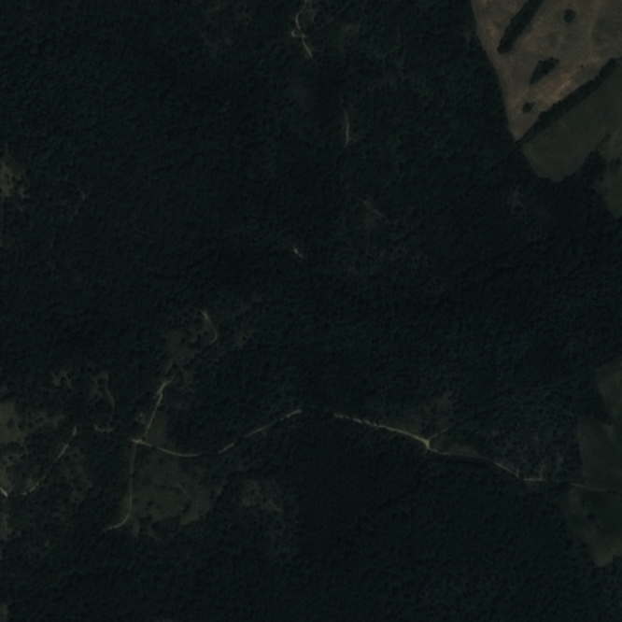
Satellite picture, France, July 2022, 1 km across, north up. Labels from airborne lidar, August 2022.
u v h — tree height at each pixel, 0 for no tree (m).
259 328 10
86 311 26
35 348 21
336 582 17
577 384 10
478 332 12
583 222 16
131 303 24
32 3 10
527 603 17
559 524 13
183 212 18
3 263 14
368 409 8
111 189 14
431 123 12
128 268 20
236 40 11
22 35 20
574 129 0
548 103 0
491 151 8
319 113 10
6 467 0
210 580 17
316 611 14
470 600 19
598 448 0
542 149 0
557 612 15
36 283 18
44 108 17
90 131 19
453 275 20
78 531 10
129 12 12
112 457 11
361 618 14
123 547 9
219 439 12
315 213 21
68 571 11
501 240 15
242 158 13
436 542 17
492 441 5
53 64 29
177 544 8
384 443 11
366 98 7
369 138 16
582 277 13
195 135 20
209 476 8
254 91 23
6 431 0
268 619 16
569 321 7
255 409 13
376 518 23
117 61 20
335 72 12
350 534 23
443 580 22
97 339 23
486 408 12
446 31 17
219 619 12
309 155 20
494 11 0
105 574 21
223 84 21
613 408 0
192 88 17
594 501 0
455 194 17
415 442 7
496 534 18
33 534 9
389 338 16
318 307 20
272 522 9
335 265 21
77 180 12
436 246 10
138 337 22
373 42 9
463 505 18
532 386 9
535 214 9
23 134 8
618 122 0
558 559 10
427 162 13
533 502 17
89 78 17
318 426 20
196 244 17
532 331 13
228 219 17
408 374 19
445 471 9
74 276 7
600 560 0
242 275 23
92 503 9
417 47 14
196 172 16
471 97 11
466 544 16
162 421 0
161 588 16
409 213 13
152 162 7
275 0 10
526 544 15
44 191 9
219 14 8
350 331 7
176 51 7
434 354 15
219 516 12
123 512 0
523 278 23
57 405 15
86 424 7
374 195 9
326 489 19
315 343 8
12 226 14
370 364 7
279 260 18
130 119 18
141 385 18
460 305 20
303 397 8
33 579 8
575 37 0
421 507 17
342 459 19
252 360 25
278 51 6
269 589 18
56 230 10
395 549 22
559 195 16
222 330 11
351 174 12
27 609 18
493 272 13
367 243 8
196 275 16
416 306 21
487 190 12
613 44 0
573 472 13
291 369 11
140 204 13
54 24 20
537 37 0
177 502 0
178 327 11
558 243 20
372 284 10
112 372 14
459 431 7
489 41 0
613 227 16
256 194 25
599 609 12
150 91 19
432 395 9
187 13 14
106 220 13
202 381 18
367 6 8
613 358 11
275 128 15
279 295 8
